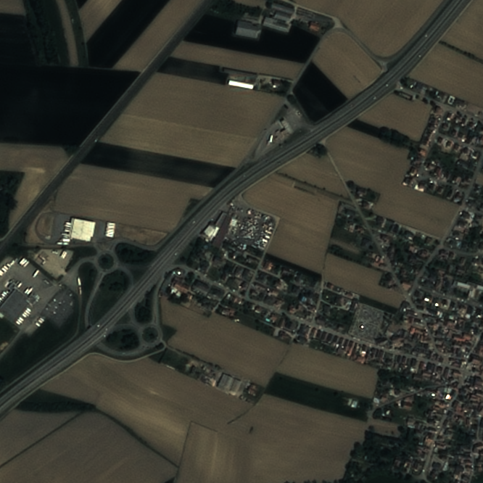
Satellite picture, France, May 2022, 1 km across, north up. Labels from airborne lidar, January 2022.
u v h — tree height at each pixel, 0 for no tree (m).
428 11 0
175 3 0
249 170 0
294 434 0
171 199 0
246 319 0
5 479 0
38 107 0
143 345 0
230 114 0
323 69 0
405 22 0
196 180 0
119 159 0
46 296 0
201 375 0
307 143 0
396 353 0
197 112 0
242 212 0
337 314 0
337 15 0
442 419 0
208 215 0
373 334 0
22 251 0
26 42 0
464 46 0
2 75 0
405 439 10
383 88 0
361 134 0
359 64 0
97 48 0
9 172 0
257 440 0
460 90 0
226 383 0
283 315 7
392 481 0
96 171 0
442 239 0
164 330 0
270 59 0
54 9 0
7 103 0
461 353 0
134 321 0
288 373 0
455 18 0
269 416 0
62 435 0
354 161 0
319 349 0
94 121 0
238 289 0
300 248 0
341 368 0
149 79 0
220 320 0
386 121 0
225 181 0
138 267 0
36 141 0
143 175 0
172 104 0
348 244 0
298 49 0
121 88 0
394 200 0
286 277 8
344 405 0
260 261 0
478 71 0
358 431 0
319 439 0
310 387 0
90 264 0
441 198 0
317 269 0
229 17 0
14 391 0
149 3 0
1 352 0
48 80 0
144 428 0
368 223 0
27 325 0
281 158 0
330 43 0
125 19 0
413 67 0
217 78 0
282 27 0
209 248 0
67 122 0
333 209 0
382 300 0
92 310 0
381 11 0
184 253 0
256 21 0
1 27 0
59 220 0
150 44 0
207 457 0
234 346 0
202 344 0
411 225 0
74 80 0
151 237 0
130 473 0
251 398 0
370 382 0
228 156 0
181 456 0
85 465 0
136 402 0
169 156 0
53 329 0
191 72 0
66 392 0
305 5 0
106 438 0
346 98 0
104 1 0
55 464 0
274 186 0
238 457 0
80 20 0
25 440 0
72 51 0
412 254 14
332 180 0
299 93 0
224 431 0
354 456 11
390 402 0
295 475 0
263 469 0
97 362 0
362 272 0
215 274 0
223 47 0
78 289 0
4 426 0
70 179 0
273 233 0
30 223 0
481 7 0
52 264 0
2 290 0
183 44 0
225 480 0
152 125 0
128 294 0
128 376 0
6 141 0
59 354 0
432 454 0
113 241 0
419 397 6
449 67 0
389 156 0
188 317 0
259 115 0
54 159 0
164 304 0
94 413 0
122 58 0
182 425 0
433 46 0
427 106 0
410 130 0
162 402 0
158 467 0
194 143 0
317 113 0
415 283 0
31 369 0
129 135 0
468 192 0
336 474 0
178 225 0
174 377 0
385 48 0
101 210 0
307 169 0
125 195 0
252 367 0
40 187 0
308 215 0
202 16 0
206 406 0
